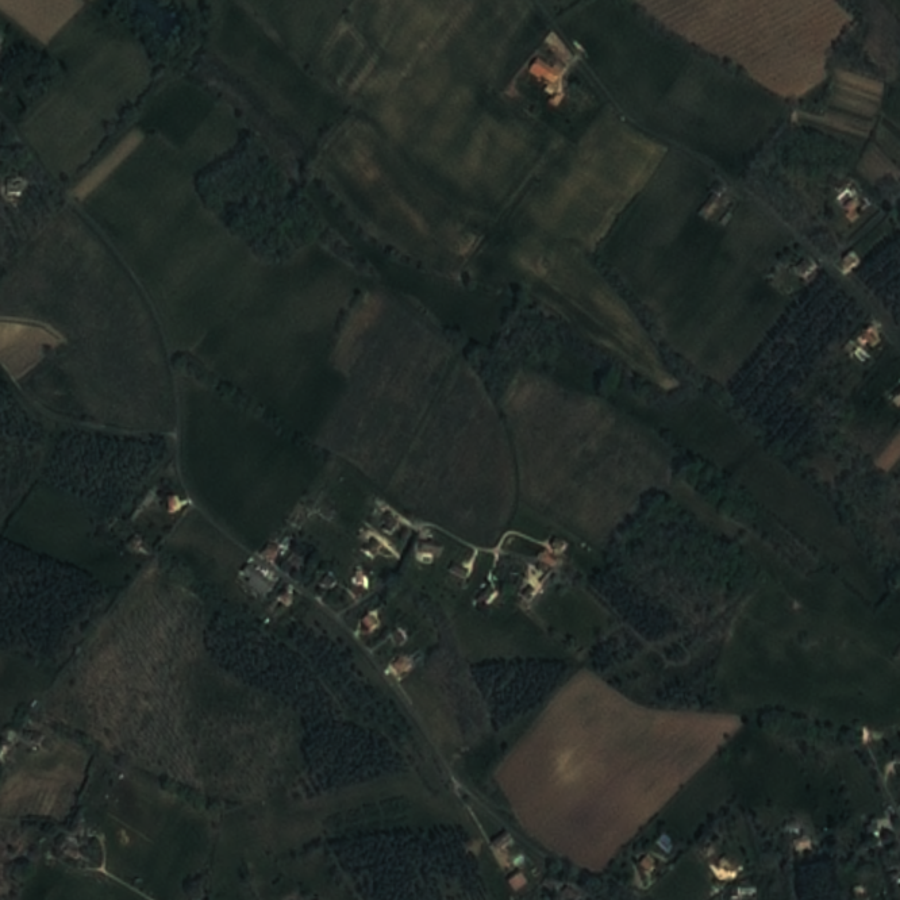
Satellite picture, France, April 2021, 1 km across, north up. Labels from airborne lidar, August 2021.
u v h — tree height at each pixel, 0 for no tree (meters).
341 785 10
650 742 0
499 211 0
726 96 0
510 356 16
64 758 0
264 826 0
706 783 0
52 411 0
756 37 0
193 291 0
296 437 6
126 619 0
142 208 0
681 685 15
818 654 0
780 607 0
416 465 0
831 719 0
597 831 0
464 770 0
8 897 10
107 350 0
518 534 0
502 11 0
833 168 13
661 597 14
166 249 0
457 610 0
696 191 0
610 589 13
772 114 0
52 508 0
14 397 12
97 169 0
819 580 0
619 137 0
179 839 0
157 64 17
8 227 21
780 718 17
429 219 0
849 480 17
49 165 0
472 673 15
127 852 0
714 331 0
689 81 0
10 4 0
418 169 0
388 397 0
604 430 0
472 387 0
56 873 0
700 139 0
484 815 0
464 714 9
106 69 0
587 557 0
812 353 15
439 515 0
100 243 0
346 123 0
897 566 15
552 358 21
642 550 17
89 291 0
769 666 0
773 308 0
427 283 0
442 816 0
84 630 12
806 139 21
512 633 0
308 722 13
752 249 0
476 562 0
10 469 7
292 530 11
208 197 20
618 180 0
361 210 0
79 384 0
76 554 0
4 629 16
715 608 13
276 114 0
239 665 11
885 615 0
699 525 18
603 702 0
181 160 0
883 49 15
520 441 0
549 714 0
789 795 0
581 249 0
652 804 0
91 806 0
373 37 0
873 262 12
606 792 0
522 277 0
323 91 0
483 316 0
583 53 0
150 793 0
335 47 0
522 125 0
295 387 0
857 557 0
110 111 0
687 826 0
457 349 12
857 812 9
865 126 0
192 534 0
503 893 0
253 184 25
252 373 0
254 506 0
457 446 0
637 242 0
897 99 0
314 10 0
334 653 7
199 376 17
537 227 0
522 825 0
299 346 0
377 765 14
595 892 21
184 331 0
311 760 14
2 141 10
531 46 0
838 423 18
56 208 14
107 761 0
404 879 13
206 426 0
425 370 0
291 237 22
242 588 0
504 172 0
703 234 0
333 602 9
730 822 8
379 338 0
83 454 10
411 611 0
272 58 0
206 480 0
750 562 21
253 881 18
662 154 0
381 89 0
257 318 0
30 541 0
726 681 0
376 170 0
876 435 0
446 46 0
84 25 0
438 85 0
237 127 0
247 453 0
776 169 16
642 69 0
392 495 0
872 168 0
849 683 0
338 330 10
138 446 12
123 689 16
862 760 10
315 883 0
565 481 0
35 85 16
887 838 13
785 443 20
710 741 0
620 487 0
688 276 0
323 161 0
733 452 0
